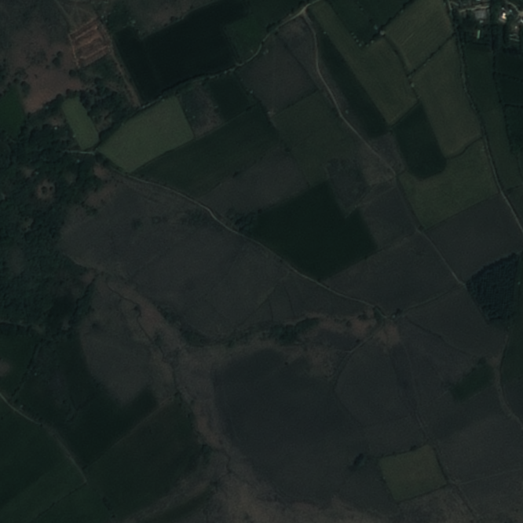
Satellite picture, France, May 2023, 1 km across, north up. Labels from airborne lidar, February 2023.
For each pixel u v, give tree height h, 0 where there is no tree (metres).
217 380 0
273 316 0
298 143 0
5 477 0
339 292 0
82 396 0
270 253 0
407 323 0
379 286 0
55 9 0
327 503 0
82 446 0
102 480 0
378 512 0
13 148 10
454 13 12
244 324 0
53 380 0
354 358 0
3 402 0
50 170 15
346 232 0
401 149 0
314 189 0
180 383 0
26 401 0
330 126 0
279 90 0
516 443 0
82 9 0
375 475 0
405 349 0
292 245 0
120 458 0
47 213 6
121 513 0
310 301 0
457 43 6
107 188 0
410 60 0
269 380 0
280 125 0
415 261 0
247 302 0
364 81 0
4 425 0
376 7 0
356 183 0
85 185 8
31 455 0
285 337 13
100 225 0
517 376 0
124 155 0
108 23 7
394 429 0
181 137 0
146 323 0
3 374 0
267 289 0
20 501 0
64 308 0
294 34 0
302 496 0
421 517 0
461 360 0
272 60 0
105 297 0
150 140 0
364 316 5
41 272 10
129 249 0
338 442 0
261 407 0
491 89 0
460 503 0
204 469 0
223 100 0
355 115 0
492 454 0
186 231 0
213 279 0
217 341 0
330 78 0
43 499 0
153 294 0
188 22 0
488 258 0
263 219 0
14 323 9
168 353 0
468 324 0
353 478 0
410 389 0
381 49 0
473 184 0
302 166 0
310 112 0
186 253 0
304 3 8
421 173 0
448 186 0
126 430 0
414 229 0
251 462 0
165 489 0
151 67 0
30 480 0
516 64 0
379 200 0
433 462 0
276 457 0
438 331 0
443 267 0
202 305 0
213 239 0
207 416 0
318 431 0
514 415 0
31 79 0
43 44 0
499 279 22
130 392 0
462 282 0
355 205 0
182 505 0
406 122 0
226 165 0
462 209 0
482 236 0
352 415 0
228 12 0
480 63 0
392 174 0
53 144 9
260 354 0
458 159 0
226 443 0
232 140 0
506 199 0
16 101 0
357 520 0
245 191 0
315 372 0
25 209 10
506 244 0
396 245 0
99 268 0
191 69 0
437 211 0
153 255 0
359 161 0
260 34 0
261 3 0
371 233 0
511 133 7
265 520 0
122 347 0
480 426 0
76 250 0
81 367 0
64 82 0
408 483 0
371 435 0
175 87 10
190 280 0
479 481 0
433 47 0
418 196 0
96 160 11
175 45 0
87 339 0
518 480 0
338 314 0
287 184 0
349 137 0
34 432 0
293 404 0
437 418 0
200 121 0
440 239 0
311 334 0
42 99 0
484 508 0
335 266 0
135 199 0
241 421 0
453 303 0
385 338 0
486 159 0
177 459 0
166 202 0
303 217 0
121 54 0
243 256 0
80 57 18
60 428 0
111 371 0
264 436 0
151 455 0
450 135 0
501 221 0
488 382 0
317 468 0
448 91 0
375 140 0
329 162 0
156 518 0
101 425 0
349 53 0
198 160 0
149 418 0
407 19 0
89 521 0
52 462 0
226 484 0
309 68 0
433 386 0
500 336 0
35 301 11
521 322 0
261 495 0
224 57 0
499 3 12
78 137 0
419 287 0
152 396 0
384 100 0
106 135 14
